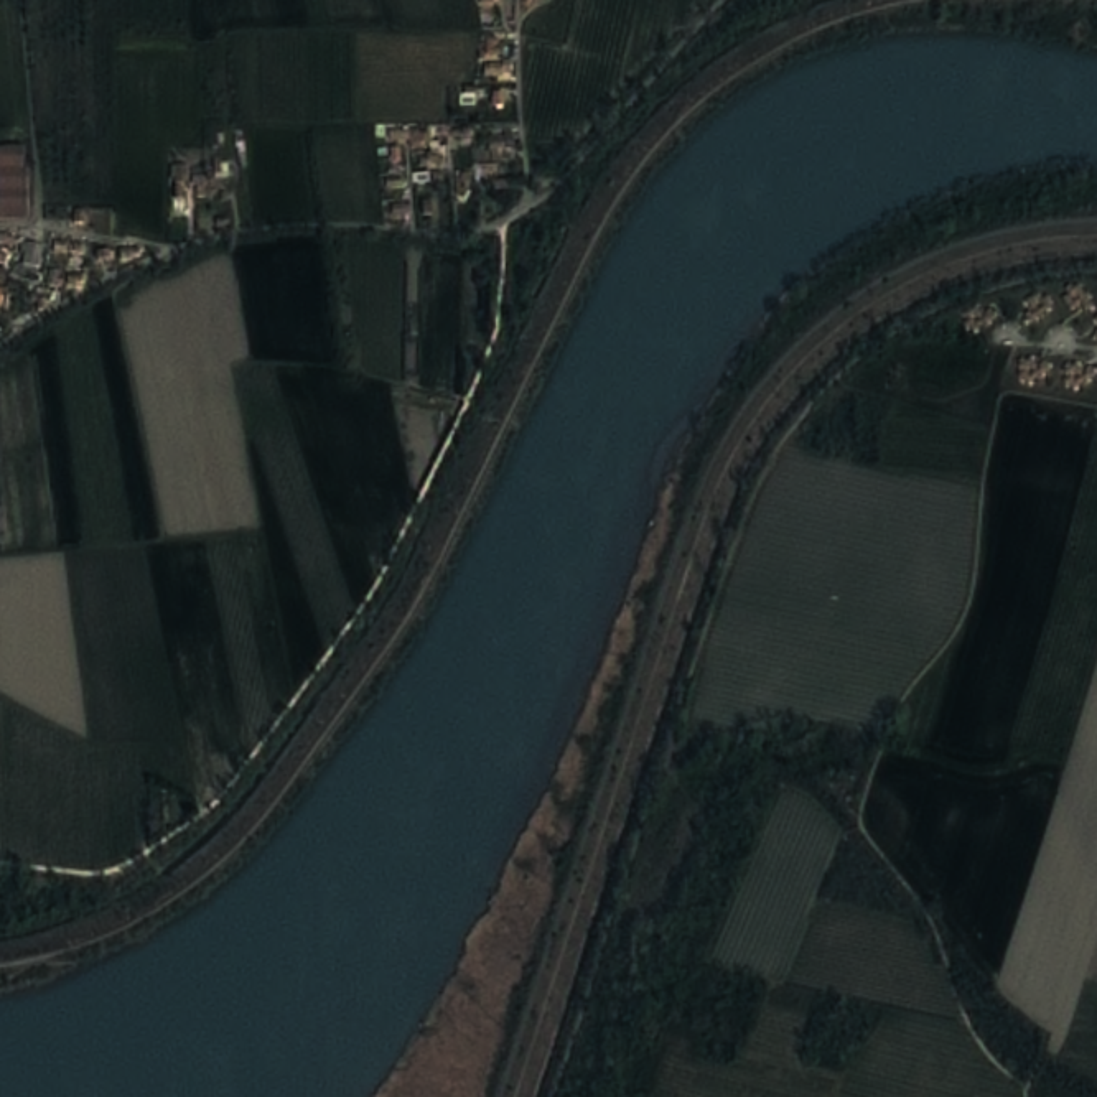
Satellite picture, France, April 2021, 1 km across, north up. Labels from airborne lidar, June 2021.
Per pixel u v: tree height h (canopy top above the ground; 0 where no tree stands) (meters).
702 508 7
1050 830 0
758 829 15
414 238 16
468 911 0
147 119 0
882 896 9
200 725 0
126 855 0
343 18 0
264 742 14
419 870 0
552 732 0
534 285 20
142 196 0
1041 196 13
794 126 0
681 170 0
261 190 0
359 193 0
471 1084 0
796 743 18
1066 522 0
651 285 0
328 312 6
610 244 7
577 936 0
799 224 0
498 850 0
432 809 0
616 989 15
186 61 0
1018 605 0
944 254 0
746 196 0
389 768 0
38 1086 0
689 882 18
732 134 0
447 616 0
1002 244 0
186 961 0
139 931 6
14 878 20
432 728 0
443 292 0
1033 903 0
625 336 0
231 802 24
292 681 0
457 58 0
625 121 14
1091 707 0
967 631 0
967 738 0
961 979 14
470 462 0
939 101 0
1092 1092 11
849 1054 13
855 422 14
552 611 0
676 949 23
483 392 12
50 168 7
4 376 0
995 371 0
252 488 0
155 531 0
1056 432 0
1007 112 0
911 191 0
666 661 0
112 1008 0
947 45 0
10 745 0
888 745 20
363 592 0
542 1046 0
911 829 0
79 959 9
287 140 0
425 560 7
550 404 0
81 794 0
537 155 6
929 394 0
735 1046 7
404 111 0
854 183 0
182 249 13
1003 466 0
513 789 0
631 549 0
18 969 0
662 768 16
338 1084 0
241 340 0
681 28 12
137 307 0
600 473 0
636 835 9
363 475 0
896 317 10
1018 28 9
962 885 0
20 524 0
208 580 0
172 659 0
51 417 0
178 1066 0
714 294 0
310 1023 0
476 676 0
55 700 0
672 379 0
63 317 10
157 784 8
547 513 0
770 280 0
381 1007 0
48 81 0
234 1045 0
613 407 0
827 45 14
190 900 6
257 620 0
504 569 0
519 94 0
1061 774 0
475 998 0
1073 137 0
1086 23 7
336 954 0
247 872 0
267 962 0
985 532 0
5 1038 0
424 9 0
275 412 0
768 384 0
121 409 0
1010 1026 16
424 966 0
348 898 0
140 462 0
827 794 12
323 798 0
